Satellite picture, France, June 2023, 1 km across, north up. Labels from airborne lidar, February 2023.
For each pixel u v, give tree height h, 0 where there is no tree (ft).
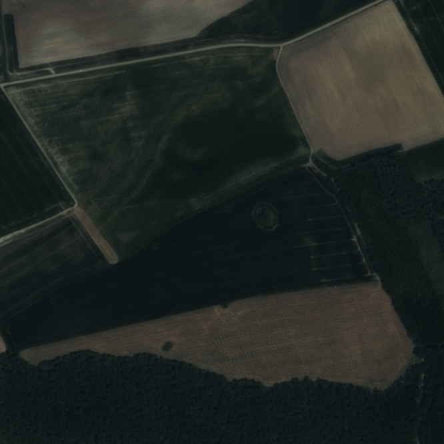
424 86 0
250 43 0
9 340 0
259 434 76
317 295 0
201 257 0
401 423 71
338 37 0
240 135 0
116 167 0
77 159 0
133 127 0
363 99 0
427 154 0
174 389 82
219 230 0
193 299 0
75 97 0
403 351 0
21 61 0
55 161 0
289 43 0
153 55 0
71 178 0
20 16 0
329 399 81
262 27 0
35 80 0
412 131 0
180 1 0
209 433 85
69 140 0
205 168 0
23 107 0
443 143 0
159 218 0
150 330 0
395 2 0
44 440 86
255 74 0
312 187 0
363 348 0
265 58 0
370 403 79
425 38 0
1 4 0
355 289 0
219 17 0
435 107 0
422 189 70
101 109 0
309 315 0
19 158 0
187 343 0
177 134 0
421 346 49
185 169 0
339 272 0
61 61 0
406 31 0
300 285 0
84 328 0
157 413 77
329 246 0
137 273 0
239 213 0
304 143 0
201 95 0
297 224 0
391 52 0
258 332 0
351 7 0
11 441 52
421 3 0
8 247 0
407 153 0
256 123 0
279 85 0
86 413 86
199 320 0
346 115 0
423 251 0
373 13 0
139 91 0
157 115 0
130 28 0
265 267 0
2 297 0
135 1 0
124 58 0
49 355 0
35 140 0
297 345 0
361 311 0
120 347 0
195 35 0
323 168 19
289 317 0
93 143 0
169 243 0
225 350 0
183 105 0
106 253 0
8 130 0
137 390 73
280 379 0
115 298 0
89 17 0
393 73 0
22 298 0
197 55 0
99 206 0
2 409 71
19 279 0
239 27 0
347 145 0
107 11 0
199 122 0
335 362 0
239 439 73
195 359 0
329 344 0
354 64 0
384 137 0
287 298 0
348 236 0
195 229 0
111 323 0
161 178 0
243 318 0
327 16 0
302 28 0
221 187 0
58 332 0
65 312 0
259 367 0
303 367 0
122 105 0
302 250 0
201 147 0
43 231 0
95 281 0
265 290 0
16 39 0
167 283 0
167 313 0
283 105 0
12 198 0
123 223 0
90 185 0
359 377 0
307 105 0
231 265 0
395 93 0
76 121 0
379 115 0
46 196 0
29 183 0
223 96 0
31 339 0
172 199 0
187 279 0
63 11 0
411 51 0
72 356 46
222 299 0
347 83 0
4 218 0
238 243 0
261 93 0
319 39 0
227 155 0
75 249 0
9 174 0
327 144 0
